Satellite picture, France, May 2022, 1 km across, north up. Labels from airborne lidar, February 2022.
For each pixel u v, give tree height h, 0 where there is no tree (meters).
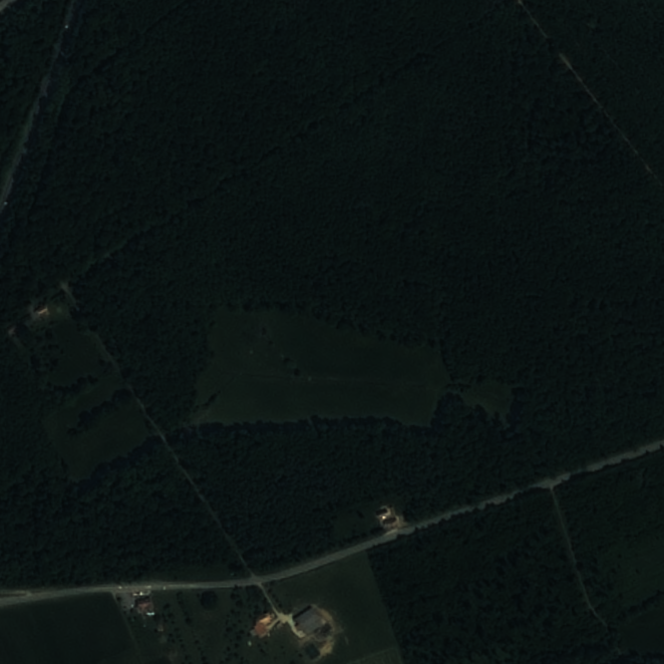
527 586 31
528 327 28
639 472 8
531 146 31
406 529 0
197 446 27
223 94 26
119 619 0
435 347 18
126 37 23
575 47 18
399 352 0
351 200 23
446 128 22
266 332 0
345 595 0
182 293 27
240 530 29
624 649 10
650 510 9
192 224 26
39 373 20
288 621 0
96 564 27
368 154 24
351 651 0
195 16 28
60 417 0
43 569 28
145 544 29
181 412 25
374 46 28
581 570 15
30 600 0
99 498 32
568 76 30
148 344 27
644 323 27
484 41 22
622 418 30
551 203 24
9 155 11
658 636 0
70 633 0
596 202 25
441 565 8
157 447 25
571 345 27
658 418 27
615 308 28
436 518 0
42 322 0
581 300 26
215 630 0
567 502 9
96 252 30
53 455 24
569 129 13
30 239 30
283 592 0
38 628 0
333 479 26
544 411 30
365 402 0
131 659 0
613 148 26
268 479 24
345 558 0
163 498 28
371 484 23
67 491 33
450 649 26
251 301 26
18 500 31
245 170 20
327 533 25
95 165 31
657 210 24
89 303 27
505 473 25
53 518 32
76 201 31
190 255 25
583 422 30
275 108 26
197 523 28
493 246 25
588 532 9
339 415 0
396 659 0
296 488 21
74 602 0
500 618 22
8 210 11
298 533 20
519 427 28
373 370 0
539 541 28
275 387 0
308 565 0
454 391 7
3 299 27
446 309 24
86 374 0
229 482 23
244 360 0
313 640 0
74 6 0
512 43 24
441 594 8
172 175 32
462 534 12
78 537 29
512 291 25
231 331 0
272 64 27
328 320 22
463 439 27
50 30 23
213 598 14
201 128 28
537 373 25
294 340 0
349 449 26
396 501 0
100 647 0
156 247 27
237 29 27
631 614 9
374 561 10
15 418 30
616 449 27
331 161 25
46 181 29
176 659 0
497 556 11
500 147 19
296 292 24
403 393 0
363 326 20
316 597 0
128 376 22
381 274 25
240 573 19
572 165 31
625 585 0
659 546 0
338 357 0
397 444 25
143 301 26
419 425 0
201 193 25
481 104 26
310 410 0
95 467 0
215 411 0
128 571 24
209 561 22
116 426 0
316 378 0
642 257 23
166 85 27
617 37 15
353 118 23
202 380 0
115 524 32
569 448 28
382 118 23
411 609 10
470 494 26
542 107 30
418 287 28
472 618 10
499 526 9
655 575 0
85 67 27
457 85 25
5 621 0
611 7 15
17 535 31
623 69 17
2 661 0
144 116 26
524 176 18
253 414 0
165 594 0
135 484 32
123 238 26
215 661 0
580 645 7
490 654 26
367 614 0
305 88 26
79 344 0
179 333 26
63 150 30
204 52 29
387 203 20
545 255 23
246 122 27
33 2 23
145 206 27
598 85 17
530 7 20
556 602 27
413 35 26
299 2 24
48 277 31
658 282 22
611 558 0
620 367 26
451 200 22
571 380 30
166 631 0
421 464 25
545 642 9
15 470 29
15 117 27
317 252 24
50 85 0
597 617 23
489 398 0
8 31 24
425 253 22
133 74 27
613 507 9
